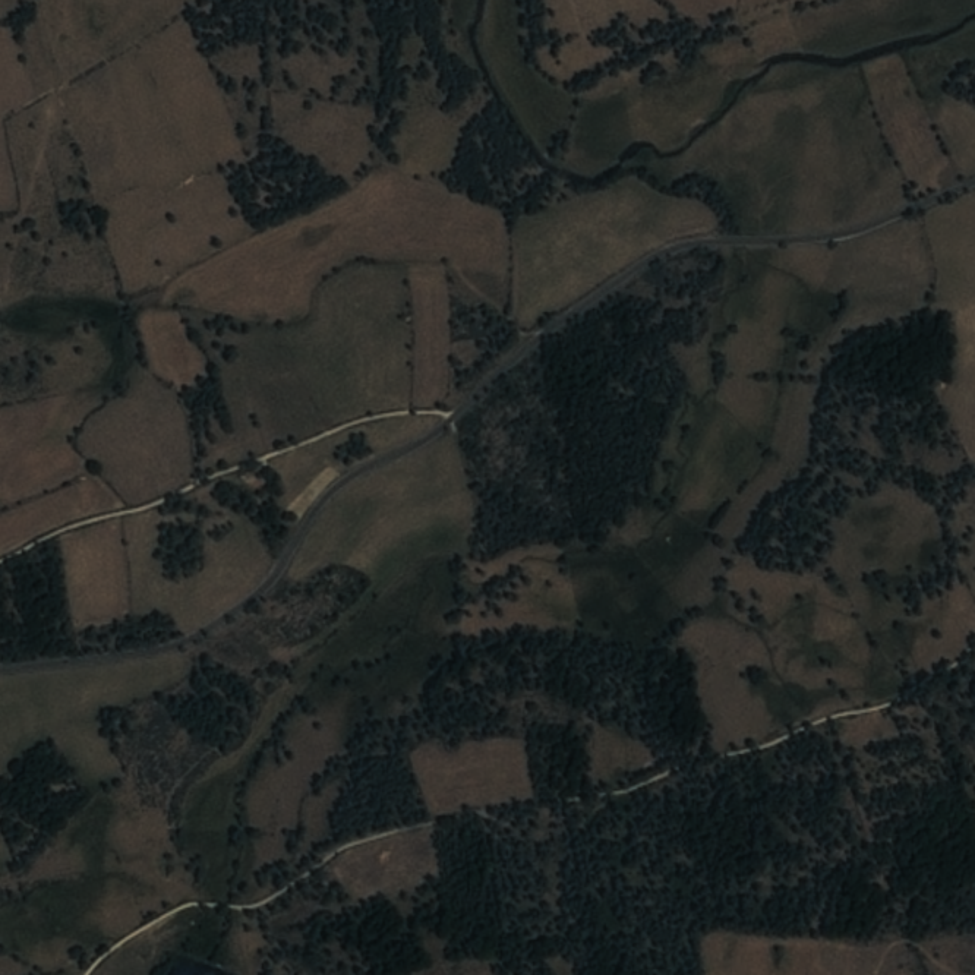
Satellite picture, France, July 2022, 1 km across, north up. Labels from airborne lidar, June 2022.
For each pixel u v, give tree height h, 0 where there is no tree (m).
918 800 6
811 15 0
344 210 0
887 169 0
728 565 18
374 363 0
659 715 17
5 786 13
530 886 18
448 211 0
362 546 0
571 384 9
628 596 0
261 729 0
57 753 11
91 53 0
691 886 15
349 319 0
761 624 8
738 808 21
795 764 16
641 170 14
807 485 15
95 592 0
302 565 0
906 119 0
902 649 0
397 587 0
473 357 0
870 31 0
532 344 0
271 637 0
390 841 0
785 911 15
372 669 18
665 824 17
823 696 0
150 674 0
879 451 0
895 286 0
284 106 0
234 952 0
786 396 0
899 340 16
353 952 8
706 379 0
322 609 0
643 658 7
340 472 0
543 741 15
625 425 10
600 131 0
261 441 0
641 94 0
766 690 0
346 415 0
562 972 0
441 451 0
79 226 14
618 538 0
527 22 13
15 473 0
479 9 0
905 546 0
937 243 0
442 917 19
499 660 14
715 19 15
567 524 10
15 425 0
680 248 0
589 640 6
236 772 0
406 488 0
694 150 0
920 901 9
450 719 15
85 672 0
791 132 0
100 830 0
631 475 11
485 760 0
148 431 0
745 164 0
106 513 0
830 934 19
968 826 14
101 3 0
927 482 12
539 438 11
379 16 17
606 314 10
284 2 11
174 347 0
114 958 0
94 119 0
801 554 17
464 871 9
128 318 9
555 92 0
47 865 0
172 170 0
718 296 0
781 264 0
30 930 0
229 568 0
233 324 6
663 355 15
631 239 0
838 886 13
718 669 0
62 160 0
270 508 12
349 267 0
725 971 0
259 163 14
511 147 11
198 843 0
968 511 0
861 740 0
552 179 19
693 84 0
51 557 13
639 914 17
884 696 0
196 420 7
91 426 0
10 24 12
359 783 17
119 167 0
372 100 9
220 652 0
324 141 0
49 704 0
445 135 0
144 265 0
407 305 6
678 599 0
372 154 7
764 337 0
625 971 24
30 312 0
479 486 14
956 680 12
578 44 0
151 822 0
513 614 0
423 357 0
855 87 0
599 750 0
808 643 0
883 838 11
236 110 0
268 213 18
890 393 9
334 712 0
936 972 0
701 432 0
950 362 9
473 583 0
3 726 0
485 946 16
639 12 0
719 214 8
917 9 0
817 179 0
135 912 0
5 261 0
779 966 0
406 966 18
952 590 9
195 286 0
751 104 0
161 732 0
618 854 9
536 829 16
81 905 0
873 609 0
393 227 0
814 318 0
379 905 15
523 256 0
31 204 0
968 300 0
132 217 0
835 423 11
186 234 0
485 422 0
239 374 0
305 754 0
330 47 7
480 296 0
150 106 0
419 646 0
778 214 0
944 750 13
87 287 0
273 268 0
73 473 0
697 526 0
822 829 9
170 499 15
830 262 0
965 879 16
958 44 0
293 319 0
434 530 0
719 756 9
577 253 0
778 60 0
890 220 0
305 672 0
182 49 0
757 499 0
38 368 16
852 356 13
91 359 0
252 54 0
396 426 0
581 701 9
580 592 0
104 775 0
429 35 11
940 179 0
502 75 0
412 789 8
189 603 0
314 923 11
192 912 0
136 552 0
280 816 0
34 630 12
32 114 0
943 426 9
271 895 0
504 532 11
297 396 0
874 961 0
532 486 0
